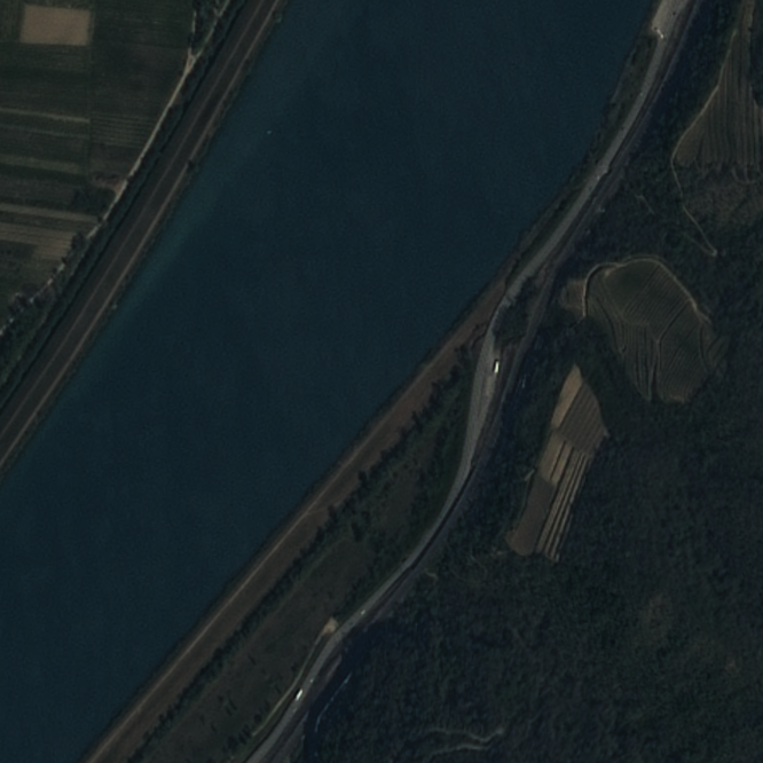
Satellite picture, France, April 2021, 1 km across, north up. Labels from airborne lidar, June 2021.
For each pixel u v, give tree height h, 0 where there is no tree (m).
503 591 21
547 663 25
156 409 0
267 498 0
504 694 14
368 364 0
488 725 19
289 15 0
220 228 0
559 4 0
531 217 0
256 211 0
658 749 31
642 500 6
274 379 0
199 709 0
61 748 0
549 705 13
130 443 0
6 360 20
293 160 0
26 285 0
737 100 0
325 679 0
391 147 0
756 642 9
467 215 0
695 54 12
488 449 0
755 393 10
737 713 20
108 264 0
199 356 0
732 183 11
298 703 0
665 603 8
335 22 0
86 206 15
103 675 0
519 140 0
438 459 15
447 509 0
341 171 0
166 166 0
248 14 0
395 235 0
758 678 10
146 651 0
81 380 0
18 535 0
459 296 0
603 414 7
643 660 13
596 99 0
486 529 14
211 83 0
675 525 19
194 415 0
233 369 0
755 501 12
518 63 0
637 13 0
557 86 0
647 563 11
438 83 0
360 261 0
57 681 0
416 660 11
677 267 9
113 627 0
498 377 0
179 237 0
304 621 0
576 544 12
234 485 0
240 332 0
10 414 0
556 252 0
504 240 0
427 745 10
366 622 0
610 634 9
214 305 0
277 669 0
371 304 0
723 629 16
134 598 0
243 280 0
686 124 15
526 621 26
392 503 0
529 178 0
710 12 6
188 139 0
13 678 0
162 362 0
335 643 0
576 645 10
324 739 8
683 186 7
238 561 0
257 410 0
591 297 0
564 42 0
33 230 0
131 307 0
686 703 10
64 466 0
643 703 21
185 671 0
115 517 0
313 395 0
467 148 0
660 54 0
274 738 0
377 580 8
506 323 20
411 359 0
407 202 0
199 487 0
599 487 16
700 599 16
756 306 24
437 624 13
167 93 0
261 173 0
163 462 0
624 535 11
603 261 14
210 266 0
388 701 14
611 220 15
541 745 17
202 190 0
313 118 0
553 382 13
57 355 0
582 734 12
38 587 0
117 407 0
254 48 0
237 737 0
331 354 0
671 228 23
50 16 0
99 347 0
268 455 0
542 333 7
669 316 0
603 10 0
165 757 0
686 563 17
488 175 0
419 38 0
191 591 0
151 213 0
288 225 0
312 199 0
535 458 7
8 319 0
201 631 0
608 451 15
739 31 0
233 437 0
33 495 0
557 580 12
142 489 0
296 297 0
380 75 0
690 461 22
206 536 0
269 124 0
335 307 0
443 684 16
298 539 0
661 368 0
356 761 7
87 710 0
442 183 0
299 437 0
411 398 0
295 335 0
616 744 18
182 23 0
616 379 18
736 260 14
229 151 0
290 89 0
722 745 17
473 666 12
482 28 0
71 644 0
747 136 0
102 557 0
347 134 0
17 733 0
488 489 16
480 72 0
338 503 0
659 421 22
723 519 13
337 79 0
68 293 14
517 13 0
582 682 20
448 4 0
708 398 11
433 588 22
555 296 7
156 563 0
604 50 0
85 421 0
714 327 13
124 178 0
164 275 0
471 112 0
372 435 0
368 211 0
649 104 0
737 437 15
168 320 0
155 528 0
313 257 0
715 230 15
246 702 0
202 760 0
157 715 0
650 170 11
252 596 0
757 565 11
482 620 12
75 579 0
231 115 0
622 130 0
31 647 0
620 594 10
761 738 10
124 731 0
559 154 0
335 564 0
